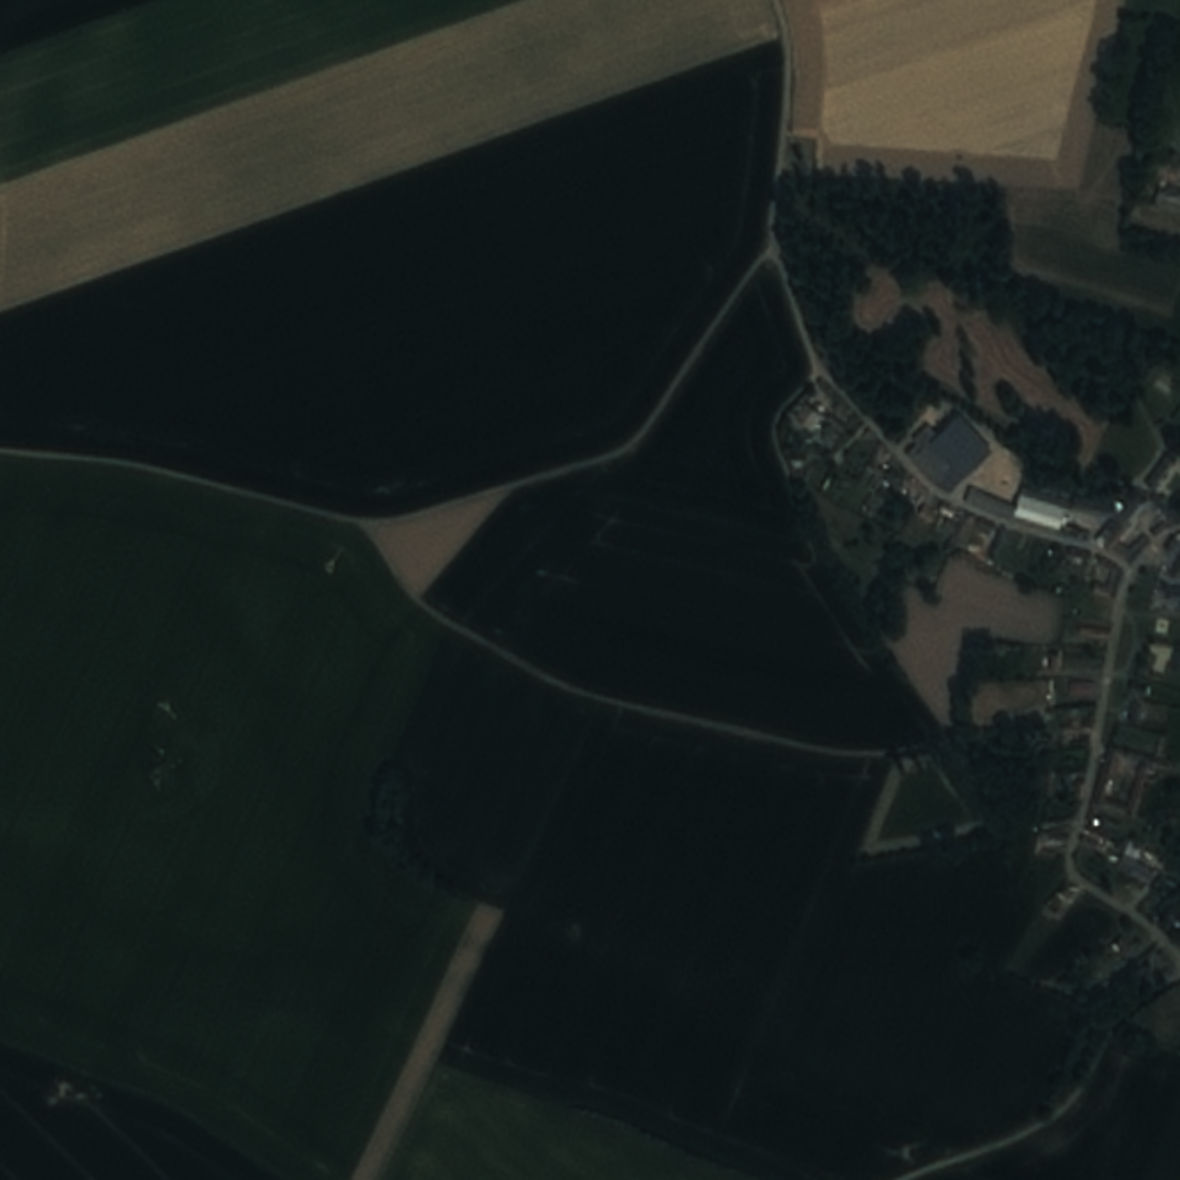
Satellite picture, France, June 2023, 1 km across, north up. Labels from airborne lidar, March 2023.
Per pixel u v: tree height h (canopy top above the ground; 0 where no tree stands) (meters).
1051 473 23
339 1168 0
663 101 0
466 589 0
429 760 0
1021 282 20
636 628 0
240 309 0
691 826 0
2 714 0
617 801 0
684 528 0
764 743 0
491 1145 0
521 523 0
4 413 0
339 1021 0
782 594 0
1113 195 0
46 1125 0
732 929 0
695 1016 0
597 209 0
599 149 0
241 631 0
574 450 0
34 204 0
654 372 0
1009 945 0
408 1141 0
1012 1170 0
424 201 0
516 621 0
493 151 0
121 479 0
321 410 0
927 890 0
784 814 0
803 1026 0
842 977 0
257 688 0
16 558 0
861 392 23
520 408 0
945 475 0
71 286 0
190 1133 0
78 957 0
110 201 0
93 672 0
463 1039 0
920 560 16
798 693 0
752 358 0
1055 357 22
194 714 0
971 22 0
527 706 0
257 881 0
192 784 0
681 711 0
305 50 0
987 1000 0
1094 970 6
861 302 0
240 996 0
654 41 0
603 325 0
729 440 0
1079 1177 0
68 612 0
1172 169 0
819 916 0
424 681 0
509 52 0
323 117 0
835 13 0
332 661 0
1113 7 0
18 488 0
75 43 0
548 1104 0
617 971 0
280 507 0
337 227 0
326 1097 0
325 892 0
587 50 0
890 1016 0
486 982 0
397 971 0
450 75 0
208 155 0
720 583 0
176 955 0
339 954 0
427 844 0
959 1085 0
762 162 0
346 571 0
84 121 0
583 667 0
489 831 0
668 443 0
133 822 0
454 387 0
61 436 0
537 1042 0
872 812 0
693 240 0
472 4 0
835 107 0
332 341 0
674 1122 0
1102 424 0
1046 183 0
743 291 0
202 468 0
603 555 0
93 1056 0
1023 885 0
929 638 0
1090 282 0
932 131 0
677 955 0
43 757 0
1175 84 0
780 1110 0
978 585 0
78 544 0
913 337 17
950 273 23
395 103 0
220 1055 0
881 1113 0
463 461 0
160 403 0
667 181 0
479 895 0
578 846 0
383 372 0
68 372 0
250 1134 0
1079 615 0
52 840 0
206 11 0
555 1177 0
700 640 0
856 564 0
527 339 0
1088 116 0
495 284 0
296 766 0
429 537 0
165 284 0
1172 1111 0
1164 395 0
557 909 0
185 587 0
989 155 0
